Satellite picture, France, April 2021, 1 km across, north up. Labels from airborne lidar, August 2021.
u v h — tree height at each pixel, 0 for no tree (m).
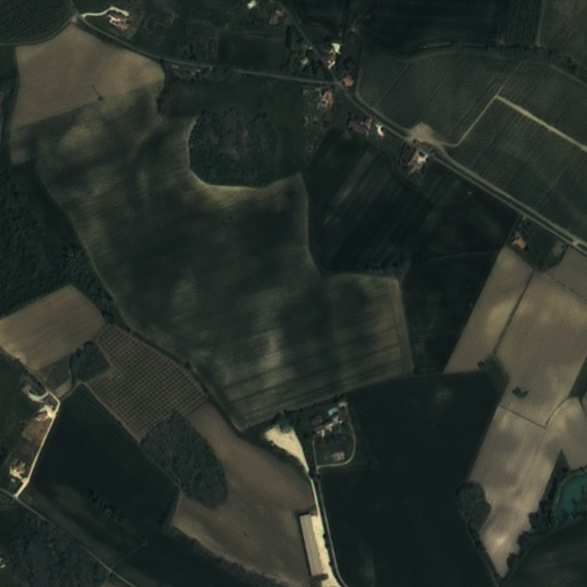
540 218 0
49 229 0
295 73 7
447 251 0
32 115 0
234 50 0
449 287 0
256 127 8
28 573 7
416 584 0
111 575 7
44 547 13
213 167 6
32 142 0
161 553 0
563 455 0
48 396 0
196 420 0
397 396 0
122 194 0
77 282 7
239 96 0
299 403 0
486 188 0
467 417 0
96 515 0
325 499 0
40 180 0
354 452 0
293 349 0
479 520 20
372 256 0
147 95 0
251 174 9
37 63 0
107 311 19
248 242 0
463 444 0
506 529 0
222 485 18
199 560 0
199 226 0
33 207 0
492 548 0
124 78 0
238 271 0
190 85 7
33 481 0
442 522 0
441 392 0
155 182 0
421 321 0
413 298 0
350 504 0
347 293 0
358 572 0
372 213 0
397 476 0
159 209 0
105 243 0
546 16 0
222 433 0
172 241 0
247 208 0
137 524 0
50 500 0
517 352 0
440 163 0
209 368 0
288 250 0
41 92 0
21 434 0
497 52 11
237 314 0
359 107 0
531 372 0
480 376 0
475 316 0
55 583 21
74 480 0
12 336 0
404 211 0
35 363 0
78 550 20
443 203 0
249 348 0
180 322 0
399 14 0
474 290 0
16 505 6
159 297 0
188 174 0
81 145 0
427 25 0
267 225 0
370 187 0
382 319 0
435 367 0
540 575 0
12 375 0
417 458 0
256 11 9
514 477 0
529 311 0
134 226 0
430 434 0
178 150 0
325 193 0
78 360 16
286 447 0
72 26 0
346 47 8
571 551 0
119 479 0
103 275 0
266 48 0
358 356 0
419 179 13
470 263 0
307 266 0
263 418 0
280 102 0
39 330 0
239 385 0
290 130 0
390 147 0
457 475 0
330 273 0
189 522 0
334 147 0
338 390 0
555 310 0
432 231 0
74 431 0
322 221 0
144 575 0
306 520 0
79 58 0
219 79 17
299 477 0
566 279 0
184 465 17
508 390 0
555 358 0
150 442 16
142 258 0
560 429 0
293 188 0
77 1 0
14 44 0
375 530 0
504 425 0
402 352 0
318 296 0
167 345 0
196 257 0
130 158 0
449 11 0
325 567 0
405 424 0
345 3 0
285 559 0
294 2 0
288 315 0
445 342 0
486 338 0
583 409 0
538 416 0
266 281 0
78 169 0
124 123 0
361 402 0
